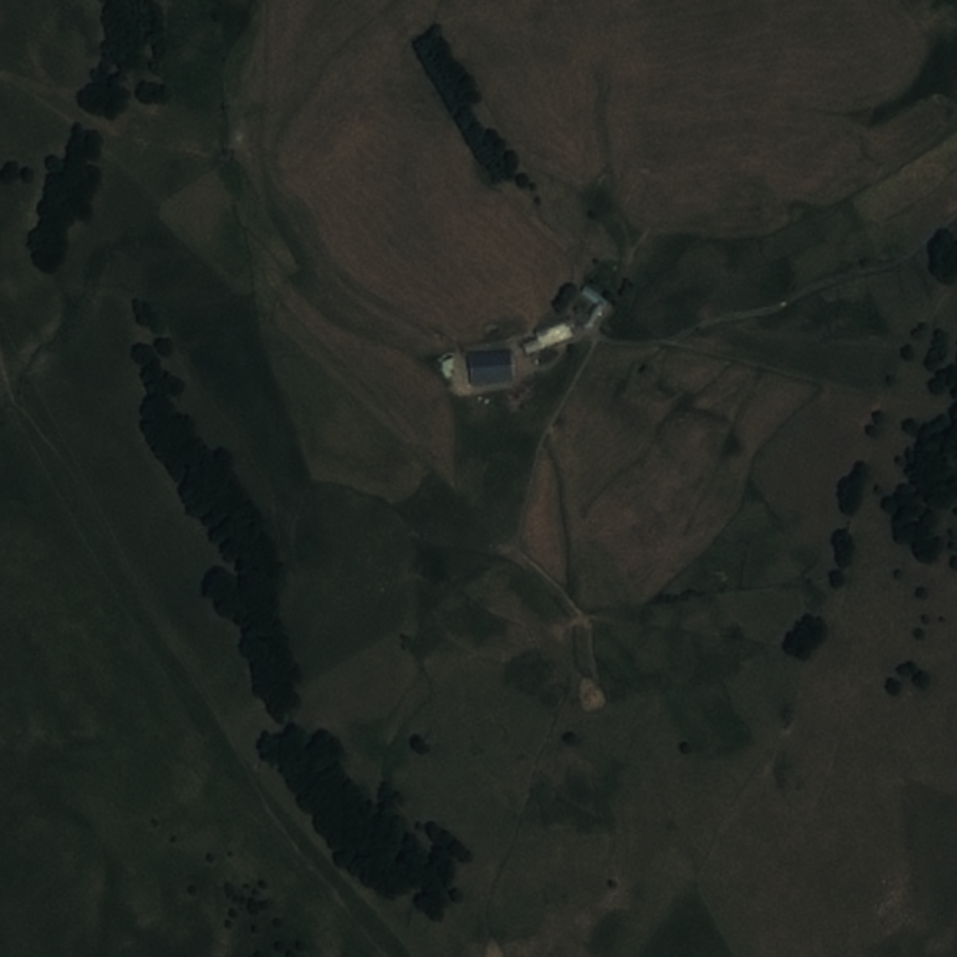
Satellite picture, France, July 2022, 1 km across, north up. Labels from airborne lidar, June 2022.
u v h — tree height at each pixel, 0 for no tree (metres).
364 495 0
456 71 18
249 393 0
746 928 0
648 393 0
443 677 0
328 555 0
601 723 0
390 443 0
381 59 0
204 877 0
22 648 0
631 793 0
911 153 0
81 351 0
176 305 0
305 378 0
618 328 0
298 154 0
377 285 0
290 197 0
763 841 0
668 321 0
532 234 0
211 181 0
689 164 0
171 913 0
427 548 0
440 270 0
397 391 0
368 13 0
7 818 0
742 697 0
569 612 0
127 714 0
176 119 0
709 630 0
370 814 19
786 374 0
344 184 0
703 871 0
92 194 14
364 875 16
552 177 0
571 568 0
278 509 0
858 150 0
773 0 0
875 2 0
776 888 0
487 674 0
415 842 16
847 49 0
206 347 0
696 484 0
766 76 0
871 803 0
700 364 0
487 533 0
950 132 0
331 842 12
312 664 0
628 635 0
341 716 0
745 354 0
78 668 0
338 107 0
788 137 0
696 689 0
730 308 0
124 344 0
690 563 0
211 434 0
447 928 0
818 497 0
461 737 0
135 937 0
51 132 0
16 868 0
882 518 0
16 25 0
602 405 0
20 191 0
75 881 0
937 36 0
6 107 0
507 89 0
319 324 0
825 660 0
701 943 0
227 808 0
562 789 0
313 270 0
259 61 0
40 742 0
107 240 0
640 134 0
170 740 0
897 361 0
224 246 0
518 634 0
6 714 0
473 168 0
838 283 0
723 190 0
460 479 0
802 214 0
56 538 0
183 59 0
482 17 0
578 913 0
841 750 0
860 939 0
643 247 0
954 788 0
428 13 0
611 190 0
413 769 0
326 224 0
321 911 0
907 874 0
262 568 19
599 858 0
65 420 0
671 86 0
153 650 0
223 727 0
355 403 0
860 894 0
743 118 0
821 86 0
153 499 0
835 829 0
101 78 14
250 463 0
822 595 0
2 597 0
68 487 0
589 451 0
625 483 0
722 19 0
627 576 0
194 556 0
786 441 0
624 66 0
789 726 0
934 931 0
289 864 0
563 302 20
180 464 23
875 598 0
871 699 0
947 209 0
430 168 0
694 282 0
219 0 0
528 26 0
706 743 0
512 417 0
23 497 0
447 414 0
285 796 0
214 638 0
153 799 0
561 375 0
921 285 0
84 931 0
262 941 0
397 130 0
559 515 0
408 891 13
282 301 0
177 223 0
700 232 0
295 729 16
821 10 0
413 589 0
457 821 0
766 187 0
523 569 0
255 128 0
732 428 0
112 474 0
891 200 0
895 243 0
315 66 0
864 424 0
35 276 0
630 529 0
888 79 0
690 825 0
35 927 0
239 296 0
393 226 0
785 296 0
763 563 0
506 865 0
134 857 0
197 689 0
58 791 0
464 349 0
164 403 20
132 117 0
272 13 0
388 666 0
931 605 0
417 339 0
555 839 0
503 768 0
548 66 0
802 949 0
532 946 0
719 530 0
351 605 0
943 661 0
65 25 0
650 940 0
